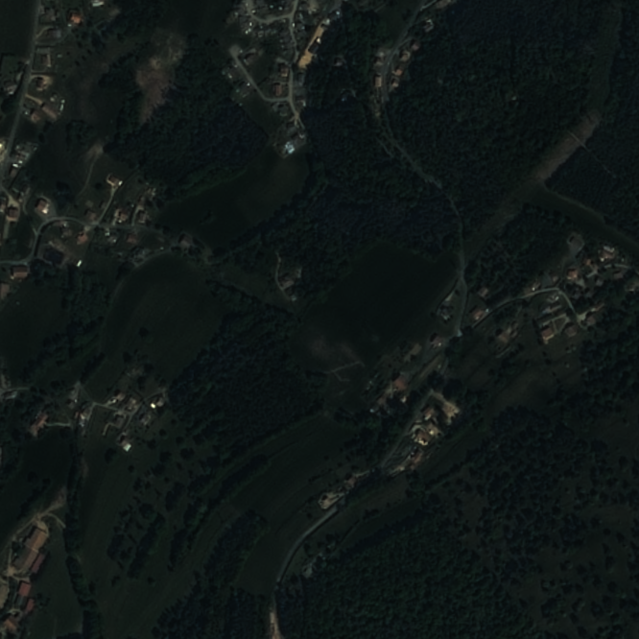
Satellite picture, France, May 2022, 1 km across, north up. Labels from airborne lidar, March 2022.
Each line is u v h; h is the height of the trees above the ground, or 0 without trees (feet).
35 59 0
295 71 26
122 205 0
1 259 0
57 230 0
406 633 27
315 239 70
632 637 0
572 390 0
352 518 0
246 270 76
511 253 56
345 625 29
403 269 0
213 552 0
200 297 0
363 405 0
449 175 39
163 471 56
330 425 0
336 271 72
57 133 0
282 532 0
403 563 62
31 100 0
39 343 0
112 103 0
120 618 0
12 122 0
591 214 0
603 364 28
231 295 63
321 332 0
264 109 0
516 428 72
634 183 53
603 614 55
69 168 0
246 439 26
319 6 0
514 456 28
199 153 47
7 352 0
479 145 50
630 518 0
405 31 0
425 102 52
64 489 0
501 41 27
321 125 87
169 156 61
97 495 0
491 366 0
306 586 62
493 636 37
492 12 60
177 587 0
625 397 69
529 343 0
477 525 0
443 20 23
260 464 62
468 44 62
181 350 0
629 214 59
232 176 57
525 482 65
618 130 44
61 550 0
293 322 44
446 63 41
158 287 0
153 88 0
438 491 0
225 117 97
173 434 0
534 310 0
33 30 0
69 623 0
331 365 0
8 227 0
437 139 71
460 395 57
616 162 52
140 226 0
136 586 0
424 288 0
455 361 50
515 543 28
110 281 0
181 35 0
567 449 43
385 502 0
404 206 82
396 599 24
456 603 44
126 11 55
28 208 0
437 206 81
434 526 53
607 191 55
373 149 59
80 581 70
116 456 37
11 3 0
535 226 45
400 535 64
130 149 51
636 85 66
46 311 0
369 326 0
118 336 0
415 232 84
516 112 39
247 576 0
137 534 0
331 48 56
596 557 0
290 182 0
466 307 0
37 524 0
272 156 0
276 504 0
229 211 0
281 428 58
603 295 48
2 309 0
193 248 23
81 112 0
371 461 39
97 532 0
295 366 45
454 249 49
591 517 0
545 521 53
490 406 0
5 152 0
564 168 42
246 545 62
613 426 0
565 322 0
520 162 51
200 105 58
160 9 52
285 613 68
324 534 0
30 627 43
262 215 0
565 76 41
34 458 0
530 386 0
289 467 0
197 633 92
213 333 0
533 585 0
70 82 0
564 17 28
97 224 0
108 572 0
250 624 77
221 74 36
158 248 0
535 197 0
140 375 0
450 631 50
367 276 0
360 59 66
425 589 23
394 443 47
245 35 0
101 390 0
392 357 0
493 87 44
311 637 51
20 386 0
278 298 0
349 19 68
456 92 25
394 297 0
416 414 0
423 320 0
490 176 74
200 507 51
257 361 87
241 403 55
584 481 0
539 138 50
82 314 59
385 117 27
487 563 0
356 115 84
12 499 0
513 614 47
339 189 80
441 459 0
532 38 65
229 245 0
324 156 75
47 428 31
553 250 61
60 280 24
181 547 55
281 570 0
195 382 79
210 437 76
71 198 68
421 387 0
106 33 38
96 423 0
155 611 0
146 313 0
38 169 0
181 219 0
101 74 0
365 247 69
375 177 61
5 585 0
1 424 52
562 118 64
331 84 66
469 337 36
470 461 41
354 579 53
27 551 0
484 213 63
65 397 0
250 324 72
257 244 50
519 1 57
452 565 44
